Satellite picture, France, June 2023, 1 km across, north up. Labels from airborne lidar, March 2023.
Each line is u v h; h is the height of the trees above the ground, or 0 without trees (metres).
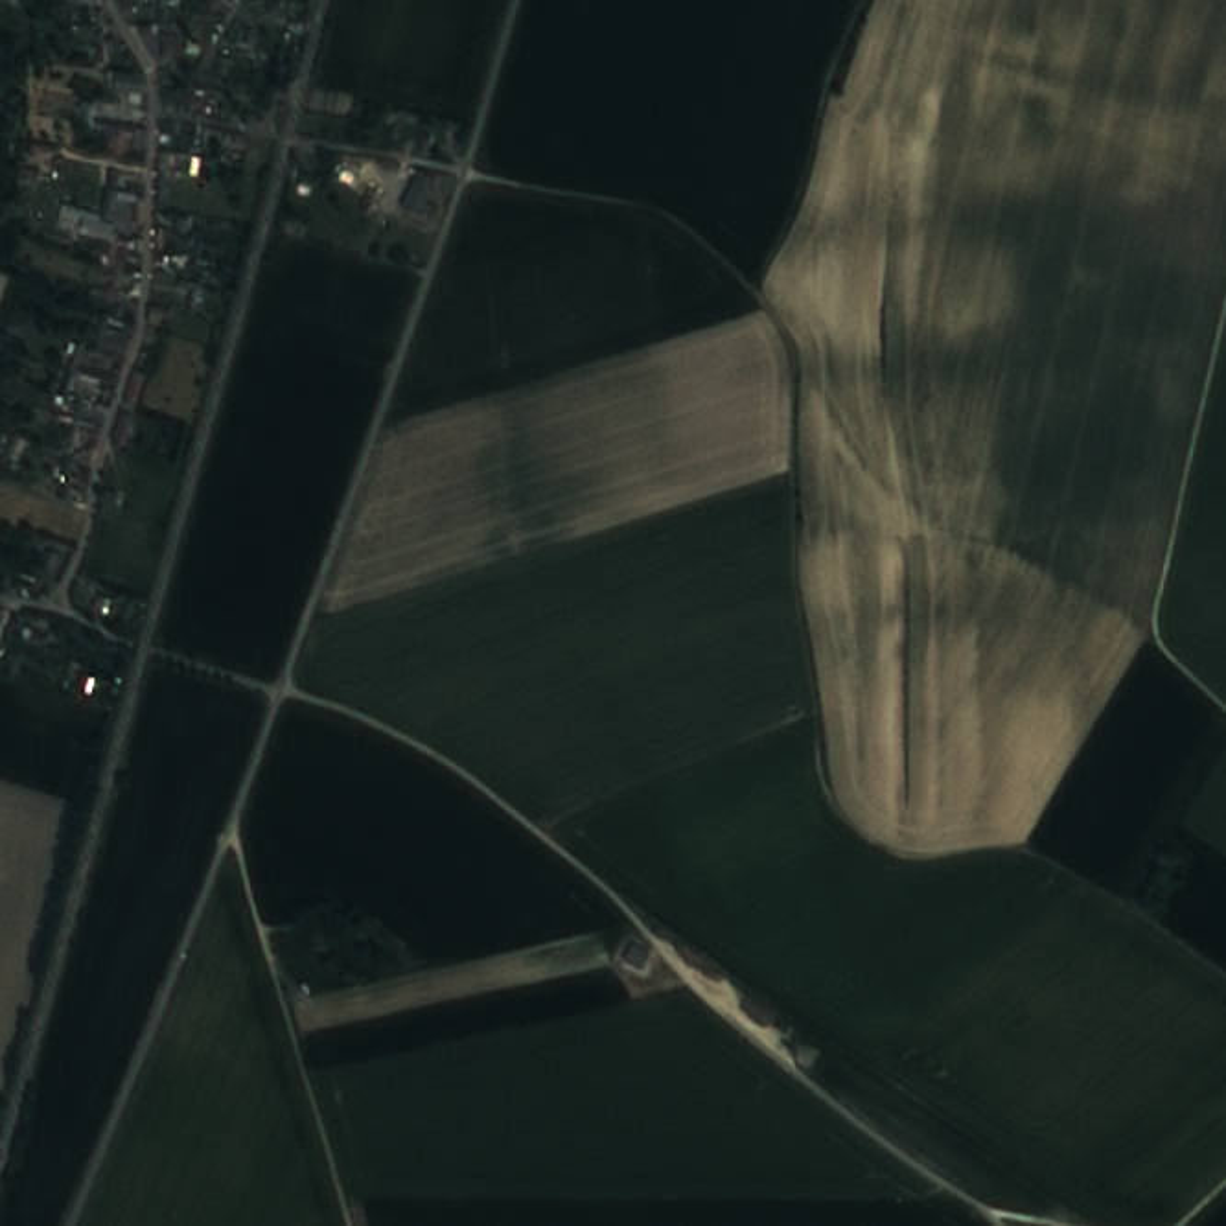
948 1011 0
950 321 0
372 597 0
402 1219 0
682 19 0
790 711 0
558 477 0
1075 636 0
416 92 0
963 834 0
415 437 0
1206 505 0
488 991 0
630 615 0
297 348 0
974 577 0
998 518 0
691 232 0
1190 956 0
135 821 0
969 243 0
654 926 0
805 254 0
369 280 0
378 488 0
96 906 0
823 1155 0
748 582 0
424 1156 0
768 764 0
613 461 0
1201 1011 0
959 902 0
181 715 0
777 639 0
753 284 0
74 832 17
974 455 0
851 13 0
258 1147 0
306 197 0
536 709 0
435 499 0
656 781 0
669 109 0
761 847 0
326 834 0
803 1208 0
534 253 0
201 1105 0
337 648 0
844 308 0
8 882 0
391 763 0
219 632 0
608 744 0
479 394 0
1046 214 0
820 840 0
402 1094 0
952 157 0
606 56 0
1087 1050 0
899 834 0
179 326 0
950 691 0
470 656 0
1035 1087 0
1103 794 0
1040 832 0
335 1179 0
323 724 0
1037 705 0
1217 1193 0
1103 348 0
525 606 0
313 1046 0
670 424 0
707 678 0
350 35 0
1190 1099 0
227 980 0
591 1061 0
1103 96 0
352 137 7
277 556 0
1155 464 0
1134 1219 0
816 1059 0
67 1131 0
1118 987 0
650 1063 0
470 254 0
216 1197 0
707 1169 0
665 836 0
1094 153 0
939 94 0
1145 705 0
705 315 0
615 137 0
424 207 0
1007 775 0
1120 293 0
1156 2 0
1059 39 0
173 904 0
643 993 0
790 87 0
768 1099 0
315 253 0
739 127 0
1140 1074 0
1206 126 0
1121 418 0
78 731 0
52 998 0
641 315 0
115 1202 0
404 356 0
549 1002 0
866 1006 0
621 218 0
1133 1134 0
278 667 0
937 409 0
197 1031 0
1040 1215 0
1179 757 0
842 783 0
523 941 0
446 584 0
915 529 0
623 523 0
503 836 0
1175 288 0
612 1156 0
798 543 0
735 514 0
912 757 0
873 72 0
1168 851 12
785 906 0
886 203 0
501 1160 0
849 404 0
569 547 0
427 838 0
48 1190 0
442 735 0
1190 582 0
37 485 0
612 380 0
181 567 0
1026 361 0
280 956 0
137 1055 0
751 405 0
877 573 0
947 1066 0
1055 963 0
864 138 0
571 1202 0
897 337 0
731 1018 0
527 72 0
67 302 11
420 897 0
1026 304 0
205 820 0
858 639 0
